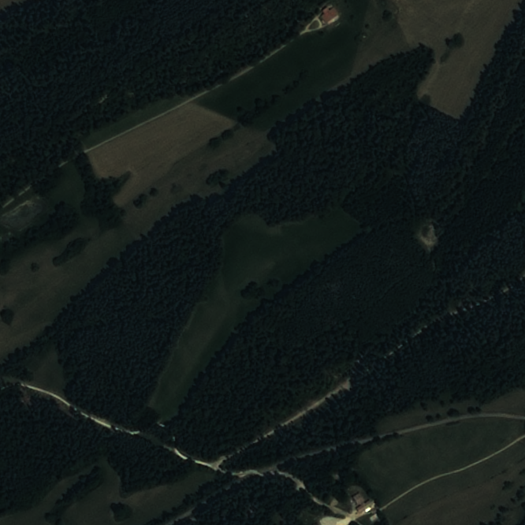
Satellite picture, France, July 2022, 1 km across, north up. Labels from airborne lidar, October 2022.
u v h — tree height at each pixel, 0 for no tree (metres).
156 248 22
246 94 0
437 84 0
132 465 26
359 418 18
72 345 29
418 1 0
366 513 0
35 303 0
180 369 0
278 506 12
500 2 0
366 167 28
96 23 11
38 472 24
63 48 12
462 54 0
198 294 19
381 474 0
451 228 17
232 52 12
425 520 0
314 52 0
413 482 0
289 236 0
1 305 0
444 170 30
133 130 0
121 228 0
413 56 12
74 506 0
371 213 9
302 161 24
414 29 0
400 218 9
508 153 12
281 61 0
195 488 0
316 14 15
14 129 27
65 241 0
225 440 22
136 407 22
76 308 21
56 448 18
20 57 22
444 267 17
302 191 24
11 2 0
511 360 14
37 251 0
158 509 0
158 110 0
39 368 0
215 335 0
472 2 0
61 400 0
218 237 21
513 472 0
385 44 0
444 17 0
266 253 0
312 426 35
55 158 24
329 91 0
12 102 22
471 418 0
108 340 27
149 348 26
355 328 20
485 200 20
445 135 34
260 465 13
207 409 15
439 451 0
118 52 25
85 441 24
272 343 9
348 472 26
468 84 0
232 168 0
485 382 16
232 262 0
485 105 10
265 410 19
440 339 23
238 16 12
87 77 25
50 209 0
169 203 0
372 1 0
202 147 0
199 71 25
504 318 27
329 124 28
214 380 23
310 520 0
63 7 30
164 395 0
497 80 8
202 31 28
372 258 18
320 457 14
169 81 18
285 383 29
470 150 18
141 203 14
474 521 0
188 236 25
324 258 0
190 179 0
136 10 8
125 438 0
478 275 39
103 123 22
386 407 13
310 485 27
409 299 16
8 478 19
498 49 13
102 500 0
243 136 0
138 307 23
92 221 0
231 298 0
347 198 10
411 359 17
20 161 14
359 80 12
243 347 24
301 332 23
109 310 26
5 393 8
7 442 18
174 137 0
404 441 0
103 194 23
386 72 7
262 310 16
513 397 0
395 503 0
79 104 26
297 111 0
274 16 8
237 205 30
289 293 27
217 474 10
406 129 25
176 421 16
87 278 0
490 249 35
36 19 30
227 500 13
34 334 0
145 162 0
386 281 17
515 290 34
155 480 23
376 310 16
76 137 13
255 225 0
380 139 25
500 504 0
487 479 0
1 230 0
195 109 0
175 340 20
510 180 15
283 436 34
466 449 0
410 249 20
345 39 0
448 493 0
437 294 36
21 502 14
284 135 30
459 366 20
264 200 22
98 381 21
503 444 0
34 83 17
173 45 26
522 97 17
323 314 21
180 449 14
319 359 22
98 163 0
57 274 0
